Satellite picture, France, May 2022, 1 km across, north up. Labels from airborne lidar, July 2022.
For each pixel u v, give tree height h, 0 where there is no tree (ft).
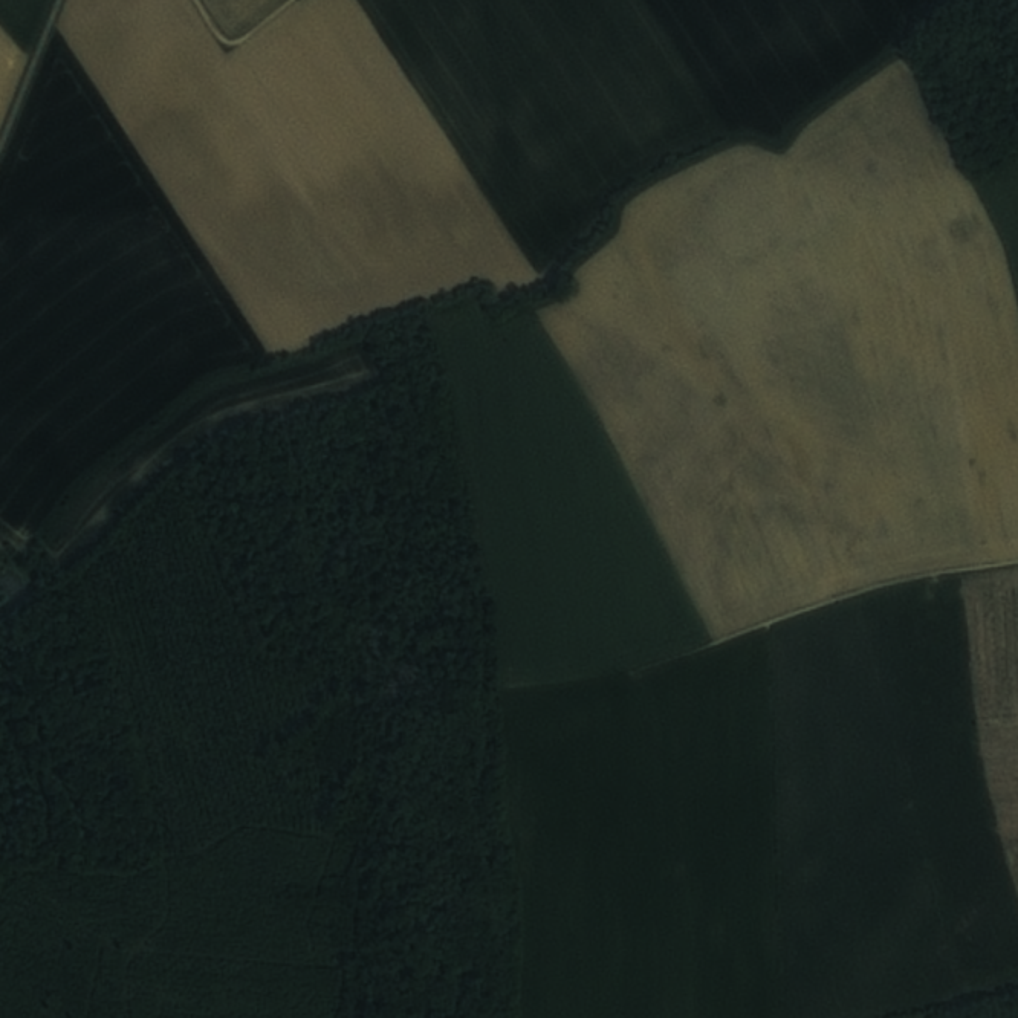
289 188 0
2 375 0
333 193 0
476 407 0
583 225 0
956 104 88
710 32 0
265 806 19
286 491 97
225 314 0
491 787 68
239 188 0
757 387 0
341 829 23
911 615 0
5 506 0
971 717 0
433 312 26
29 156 0
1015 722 0
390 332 64
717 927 0
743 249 0
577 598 0
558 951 0
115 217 0
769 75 0
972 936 0
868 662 0
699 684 0
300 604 96
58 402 0
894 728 0
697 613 0
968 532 0
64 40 0
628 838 0
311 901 29
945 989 0
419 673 102
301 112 0
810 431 0
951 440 0
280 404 0
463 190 0
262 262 0
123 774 74
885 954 0
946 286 0
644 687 0
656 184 0
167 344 0
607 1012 0
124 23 0
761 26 0
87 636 38
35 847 61
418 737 107
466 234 0
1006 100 51
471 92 0
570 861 0
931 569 0
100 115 0
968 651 0
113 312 0
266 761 90
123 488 0
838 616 0
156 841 94
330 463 88
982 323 0
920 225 0
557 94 0
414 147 0
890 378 0
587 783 0
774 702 0
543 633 0
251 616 40
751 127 0
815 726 0
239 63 0
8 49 0
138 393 0
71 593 29
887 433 0
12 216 0
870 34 0
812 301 0
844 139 0
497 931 58
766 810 0
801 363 0
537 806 0
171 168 0
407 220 0
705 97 0
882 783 0
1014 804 0
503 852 61
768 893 0
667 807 0
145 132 0
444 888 87
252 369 29
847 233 0
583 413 0
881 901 0
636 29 0
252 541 92
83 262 0
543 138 0
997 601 0
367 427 74
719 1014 0
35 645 85
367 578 70
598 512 0
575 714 0
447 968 71
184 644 26
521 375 0
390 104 0
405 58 0
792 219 0
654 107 0
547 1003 0
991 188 0
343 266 0
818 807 0
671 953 0
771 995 0
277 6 0
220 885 20
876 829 0
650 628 0
